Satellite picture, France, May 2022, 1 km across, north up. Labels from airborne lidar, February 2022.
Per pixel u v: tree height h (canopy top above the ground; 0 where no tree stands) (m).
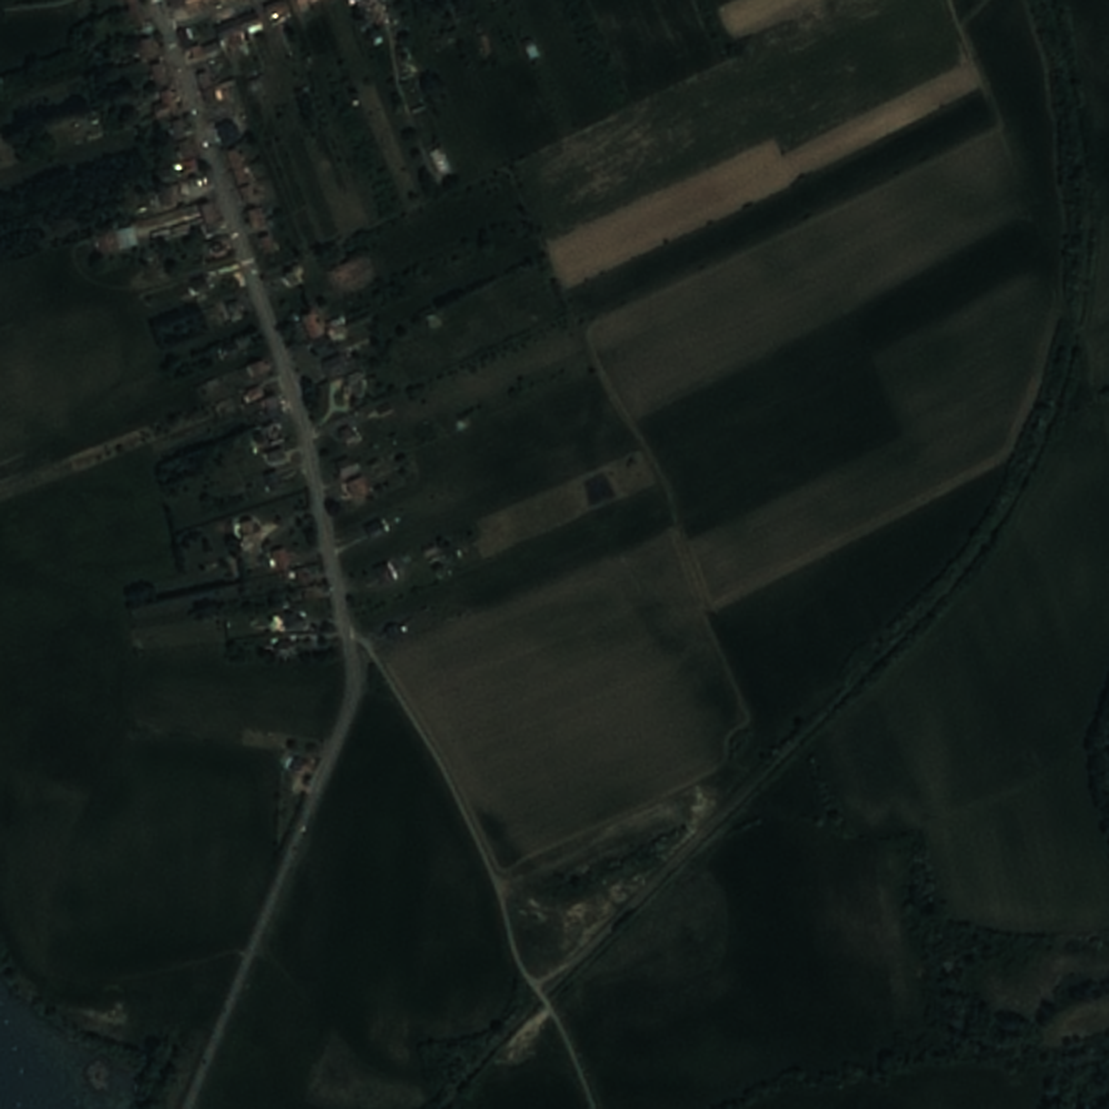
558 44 0
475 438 0
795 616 0
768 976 0
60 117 16
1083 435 0
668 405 0
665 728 0
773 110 0
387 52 0
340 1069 0
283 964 0
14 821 0
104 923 0
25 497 0
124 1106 0
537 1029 0
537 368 0
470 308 0
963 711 0
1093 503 0
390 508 0
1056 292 0
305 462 0
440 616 0
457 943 0
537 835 0
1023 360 0
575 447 0
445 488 0
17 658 0
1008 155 0
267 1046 0
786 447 0
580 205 0
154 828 0
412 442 0
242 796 0
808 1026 0
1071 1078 17
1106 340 0
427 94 16
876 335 0
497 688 0
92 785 0
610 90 8
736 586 0
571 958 0
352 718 0
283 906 0
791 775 0
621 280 0
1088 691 0
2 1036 0
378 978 0
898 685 0
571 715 0
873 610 0
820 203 0
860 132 0
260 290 0
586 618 0
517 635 0
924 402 0
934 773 0
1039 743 0
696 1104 0
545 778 0
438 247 0
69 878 0
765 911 0
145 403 0
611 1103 0
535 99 0
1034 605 0
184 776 0
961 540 0
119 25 10
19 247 11
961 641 0
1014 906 0
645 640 0
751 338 0
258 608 7
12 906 0
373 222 0
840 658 0
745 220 0
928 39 0
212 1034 0
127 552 0
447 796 0
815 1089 5
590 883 5
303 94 7
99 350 0
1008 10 0
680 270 0
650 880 0
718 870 0
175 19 0
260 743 0
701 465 0
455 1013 0
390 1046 0
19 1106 0
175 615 0
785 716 0
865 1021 0
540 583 0
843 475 0
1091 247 7
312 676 0
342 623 0
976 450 0
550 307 0
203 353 7
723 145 0
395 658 0
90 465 0
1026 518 0
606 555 0
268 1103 0
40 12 0
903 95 0
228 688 0
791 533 0
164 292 0
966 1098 0
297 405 0
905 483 0
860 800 0
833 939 0
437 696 0
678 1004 0
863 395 0
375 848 0
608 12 0
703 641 0
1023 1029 23
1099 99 0
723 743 0
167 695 0
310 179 0
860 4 0
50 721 0
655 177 0
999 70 0
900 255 0
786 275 0
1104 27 0
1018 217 0
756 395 0
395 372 0
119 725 0
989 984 0
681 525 0
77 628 0
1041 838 0
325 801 0
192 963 0
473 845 0
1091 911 0
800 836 0
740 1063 0
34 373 0
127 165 13
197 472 10
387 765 0
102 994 0
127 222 10
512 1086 0
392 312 0
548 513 0
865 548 0
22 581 0
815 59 0
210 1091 0
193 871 0
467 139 0
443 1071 7
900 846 0
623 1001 0
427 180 12
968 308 0
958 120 0
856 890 0
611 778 0
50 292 0
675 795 0
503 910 0
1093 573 0
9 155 0
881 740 0
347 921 0
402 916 0
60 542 0
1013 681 0
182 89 0
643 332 0
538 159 0
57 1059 0
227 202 0
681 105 0
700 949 0
